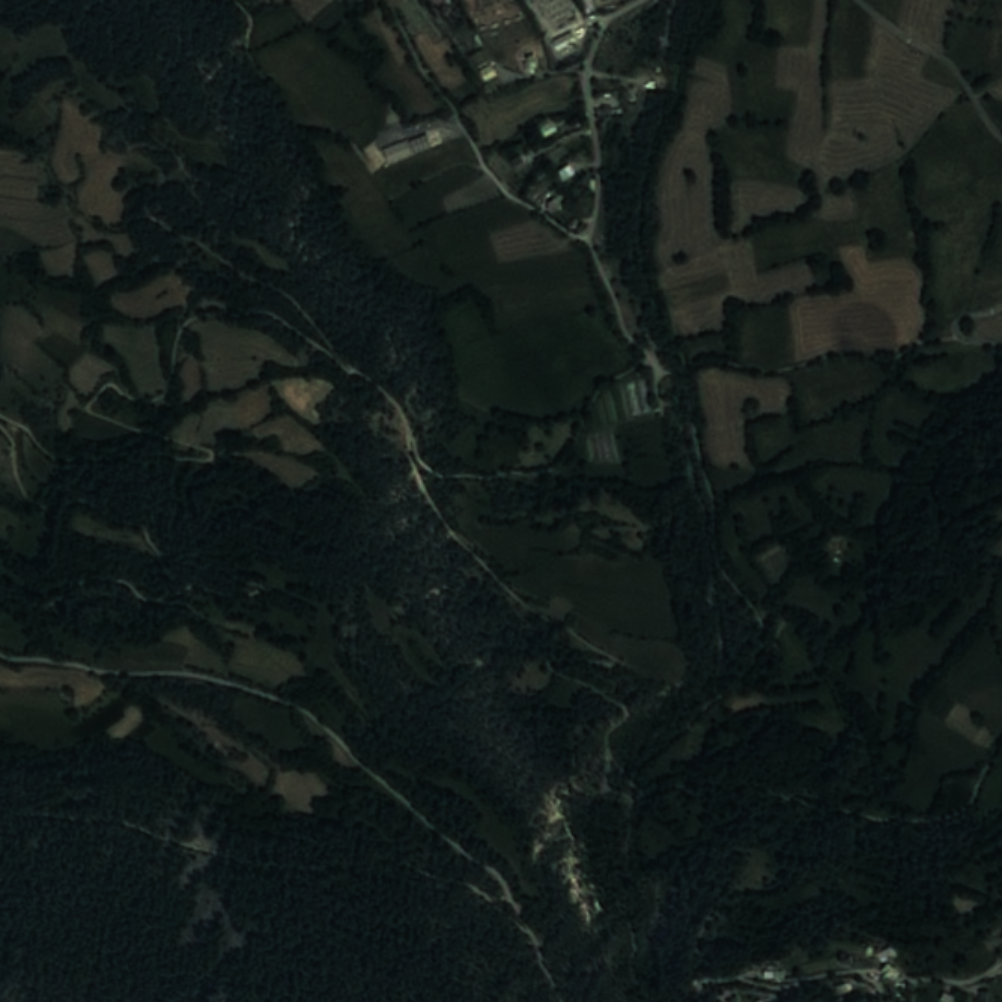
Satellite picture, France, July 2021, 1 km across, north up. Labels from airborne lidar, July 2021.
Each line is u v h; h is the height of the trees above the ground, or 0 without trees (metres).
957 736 0
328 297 13
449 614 15
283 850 27
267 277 13
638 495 7
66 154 0
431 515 10
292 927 20
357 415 8
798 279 0
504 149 7
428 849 13
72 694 6
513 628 14
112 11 12
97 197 0
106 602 11
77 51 14
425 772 10
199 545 22
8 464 0
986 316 0
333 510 20
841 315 0
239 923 21
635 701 13
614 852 10
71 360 0
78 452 13
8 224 0
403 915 21
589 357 0
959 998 11
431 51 0
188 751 20
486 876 12
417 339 11
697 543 16
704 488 17
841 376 0
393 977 20
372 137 0
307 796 0
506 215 0
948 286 0
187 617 7
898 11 0
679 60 10
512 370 0
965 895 14
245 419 0
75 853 18
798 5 0
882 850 17
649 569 0
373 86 11
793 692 10
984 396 22
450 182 0
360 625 13
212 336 0
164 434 17
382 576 15
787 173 0
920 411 0
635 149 8
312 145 14
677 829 6
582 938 18
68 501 14
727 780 14
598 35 9
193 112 15
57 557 7
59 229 0
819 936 7
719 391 0
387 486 10
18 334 0
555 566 0
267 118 15
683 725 13
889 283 0
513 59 0
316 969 22
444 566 7
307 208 13
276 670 0
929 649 0
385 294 17
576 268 0
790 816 17
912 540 21
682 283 0
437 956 13
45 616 14
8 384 0
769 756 20
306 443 0
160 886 9
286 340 9
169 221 10
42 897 15
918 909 22
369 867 21
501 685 8
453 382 16
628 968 11
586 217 0
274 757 8
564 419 13
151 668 0
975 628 15
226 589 20
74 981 18
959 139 0
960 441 18
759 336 0
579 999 25
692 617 21
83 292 10
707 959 9
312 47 0
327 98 0
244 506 6
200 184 11
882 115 0
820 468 12
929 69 0
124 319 11
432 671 10
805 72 0
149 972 19
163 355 6
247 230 9
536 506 8
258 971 14
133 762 19
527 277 0
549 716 16
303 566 25
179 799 22
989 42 0
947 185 0
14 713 0
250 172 14
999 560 10
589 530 6
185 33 12
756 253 0
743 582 8
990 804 0
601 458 0
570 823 9
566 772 17
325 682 6
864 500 12
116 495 23
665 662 0
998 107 0
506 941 22
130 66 14
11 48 0
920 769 0
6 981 9
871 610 13
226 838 15
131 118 9
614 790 17
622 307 0
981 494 15
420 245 6
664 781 9
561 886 14
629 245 12
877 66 0
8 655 8
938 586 17
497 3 0
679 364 17
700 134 0
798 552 14
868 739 10
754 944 7
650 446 0
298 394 0
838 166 0
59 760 6
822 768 13
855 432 0
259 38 0
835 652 21
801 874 14
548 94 0
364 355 19
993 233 9
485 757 13
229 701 12
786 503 13
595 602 0
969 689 0
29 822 25
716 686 13
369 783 10
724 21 10
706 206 0
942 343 11
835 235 0
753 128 8
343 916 18
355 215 0
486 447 10
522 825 16
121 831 16
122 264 11
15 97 13
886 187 0
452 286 0
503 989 22
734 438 0
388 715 15
